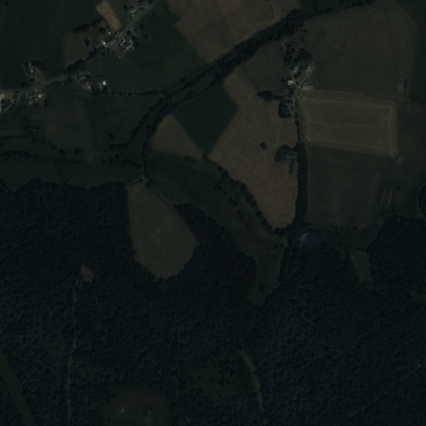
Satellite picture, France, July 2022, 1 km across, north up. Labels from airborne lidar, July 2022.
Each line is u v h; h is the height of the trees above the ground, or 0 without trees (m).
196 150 0
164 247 0
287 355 13
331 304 21
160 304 5
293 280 15
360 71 0
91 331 15
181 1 0
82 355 17
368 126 0
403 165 0
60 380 7
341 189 0
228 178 9
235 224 0
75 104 0
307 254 17
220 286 21
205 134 0
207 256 20
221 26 0
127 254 28
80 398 17
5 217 25
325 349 13
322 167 0
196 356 12
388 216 0
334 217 0
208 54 0
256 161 0
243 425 15
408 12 0
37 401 9
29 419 0
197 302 17
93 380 7
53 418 21
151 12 0
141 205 0
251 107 0
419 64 0
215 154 0
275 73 0
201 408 16
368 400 16
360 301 20
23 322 11
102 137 0
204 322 10
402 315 15
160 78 0
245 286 15
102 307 10
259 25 0
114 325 18
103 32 14
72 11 0
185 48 0
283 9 0
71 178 0
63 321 20
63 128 0
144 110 0
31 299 11
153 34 0
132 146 0
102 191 23
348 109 0
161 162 0
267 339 8
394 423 18
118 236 26
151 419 0
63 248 24
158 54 0
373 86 0
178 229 0
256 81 0
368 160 0
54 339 16
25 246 23
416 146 0
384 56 0
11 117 0
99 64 0
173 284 19
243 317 17
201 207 0
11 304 7
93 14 0
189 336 17
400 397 17
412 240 18
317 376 21
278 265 0
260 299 0
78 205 26
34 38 0
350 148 0
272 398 15
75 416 10
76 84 0
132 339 19
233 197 0
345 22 0
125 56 0
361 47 0
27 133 15
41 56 0
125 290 21
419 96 0
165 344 15
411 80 0
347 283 23
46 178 0
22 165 0
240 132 0
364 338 12
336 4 0
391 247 26
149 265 0
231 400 9
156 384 19
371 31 0
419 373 19
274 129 0
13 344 13
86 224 23
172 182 0
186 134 0
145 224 0
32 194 28
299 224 19
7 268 17
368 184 0
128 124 0
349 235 0
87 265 16
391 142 0
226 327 7
